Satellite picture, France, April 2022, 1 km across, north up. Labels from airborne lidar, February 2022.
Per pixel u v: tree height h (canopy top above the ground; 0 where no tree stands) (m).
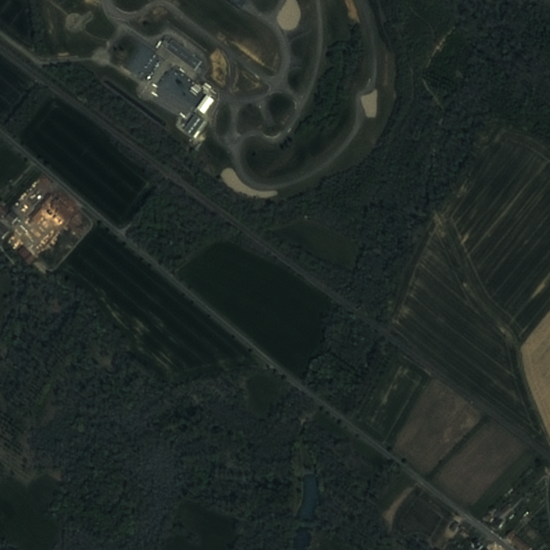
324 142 0
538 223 0
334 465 22
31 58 0
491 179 0
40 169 0
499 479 0
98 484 19
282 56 0
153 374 34
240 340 0
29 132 0
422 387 0
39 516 0
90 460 19
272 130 0
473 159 12
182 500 21
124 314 0
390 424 0
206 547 0
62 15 0
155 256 18
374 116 0
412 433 0
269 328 0
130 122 24
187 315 0
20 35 0
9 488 0
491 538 0
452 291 0
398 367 0
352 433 0
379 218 22
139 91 0
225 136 0
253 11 0
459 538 0
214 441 20
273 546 18
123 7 0
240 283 0
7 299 16
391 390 0
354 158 0
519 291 0
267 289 0
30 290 23
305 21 0
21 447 0
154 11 0
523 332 0
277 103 0
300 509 0
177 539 0
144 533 7
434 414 0
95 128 0
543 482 0
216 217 17
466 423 0
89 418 7
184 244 21
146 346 0
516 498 0
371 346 21
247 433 17
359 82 0
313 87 0
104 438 16
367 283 19
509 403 0
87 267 0
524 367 0
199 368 0
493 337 0
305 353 0
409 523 0
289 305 0
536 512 0
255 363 0
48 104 0
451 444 0
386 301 22
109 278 0
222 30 0
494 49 22
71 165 0
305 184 0
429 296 0
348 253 0
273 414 15
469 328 0
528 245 0
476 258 0
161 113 0
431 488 0
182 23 0
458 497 0
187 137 0
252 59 0
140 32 0
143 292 0
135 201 0
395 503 7
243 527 20
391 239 24
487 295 0
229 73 0
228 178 0
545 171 0
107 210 0
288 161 0
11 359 17
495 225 0
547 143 12
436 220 0
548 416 0
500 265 0
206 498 17
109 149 0
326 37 0
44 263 0
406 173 16
